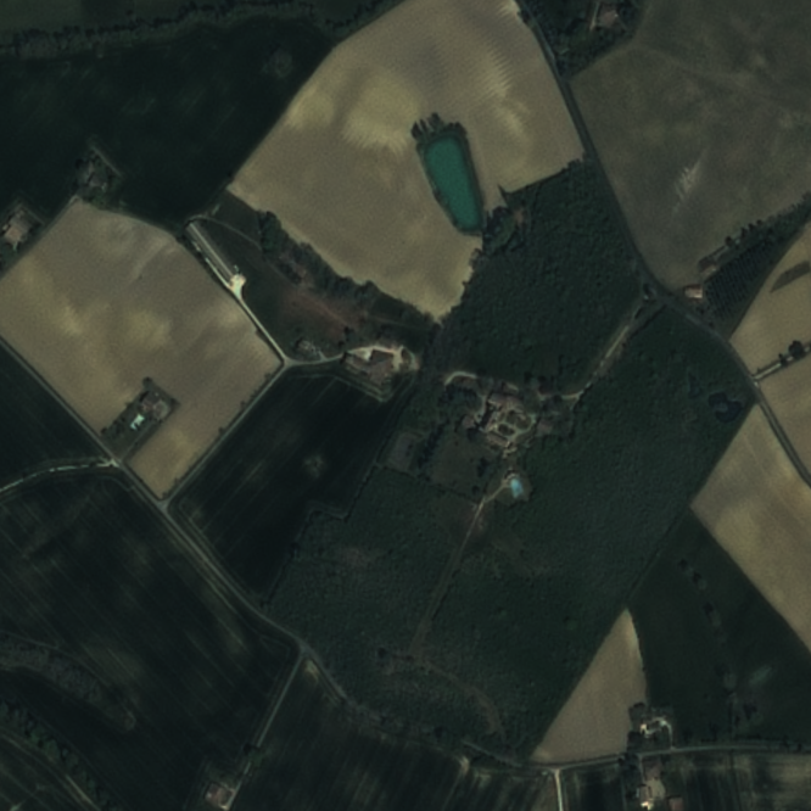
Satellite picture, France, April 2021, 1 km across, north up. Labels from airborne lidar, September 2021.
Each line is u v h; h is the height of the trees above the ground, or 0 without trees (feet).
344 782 0
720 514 0
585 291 29
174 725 0
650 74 0
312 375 0
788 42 0
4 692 0
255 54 0
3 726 0
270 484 0
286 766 0
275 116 0
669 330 29
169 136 0
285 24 0
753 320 0
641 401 34
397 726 57
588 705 0
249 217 0
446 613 19
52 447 0
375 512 27
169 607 0
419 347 0
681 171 0
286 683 0
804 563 0
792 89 0
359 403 0
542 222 26
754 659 0
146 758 0
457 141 0
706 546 0
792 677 0
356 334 33
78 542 0
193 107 0
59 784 0
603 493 26
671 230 0
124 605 0
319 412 0
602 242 34
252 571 0
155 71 0
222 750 0
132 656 0
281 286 0
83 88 0
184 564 0
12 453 0
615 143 0
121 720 0
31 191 0
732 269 30
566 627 39
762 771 0
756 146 0
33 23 0
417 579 19
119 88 0
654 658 0
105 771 0
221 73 0
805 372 0
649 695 27
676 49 0
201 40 0
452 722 35
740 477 0
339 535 24
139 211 0
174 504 0
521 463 20
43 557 0
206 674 0
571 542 37
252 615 0
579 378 27
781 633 0
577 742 0
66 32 0
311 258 67
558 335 32
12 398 0
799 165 0
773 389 0
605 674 0
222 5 0
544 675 30
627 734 0
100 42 49
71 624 0
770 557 0
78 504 0
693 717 0
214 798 0
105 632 0
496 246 70
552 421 34
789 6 0
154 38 45
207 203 0
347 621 33
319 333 0
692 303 22
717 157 0
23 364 0
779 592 0
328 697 0
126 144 0
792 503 0
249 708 0
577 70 31
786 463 0
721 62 0
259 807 0
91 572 0
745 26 0
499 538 0
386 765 0
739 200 0
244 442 0
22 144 0
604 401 27
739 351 0
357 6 0
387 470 20
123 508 0
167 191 0
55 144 0
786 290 0
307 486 0
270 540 0
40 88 0
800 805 0
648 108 0
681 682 0
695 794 0
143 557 0
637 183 0
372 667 33
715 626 67
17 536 0
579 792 0
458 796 30
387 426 0
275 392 0
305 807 0
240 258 0
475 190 0
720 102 0
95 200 41
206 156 0
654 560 20
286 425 0
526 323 44
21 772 0
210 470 0
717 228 0
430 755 0
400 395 0
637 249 0
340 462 0
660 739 34
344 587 26
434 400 45
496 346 30
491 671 32
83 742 0
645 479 28
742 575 0
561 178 20
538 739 27
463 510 0
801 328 0
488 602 22
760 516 0
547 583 20
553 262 44
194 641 0
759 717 75
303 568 40
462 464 0
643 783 26
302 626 24
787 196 0
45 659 50
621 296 27
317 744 0
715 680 0
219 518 0
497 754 30
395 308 0
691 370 31
